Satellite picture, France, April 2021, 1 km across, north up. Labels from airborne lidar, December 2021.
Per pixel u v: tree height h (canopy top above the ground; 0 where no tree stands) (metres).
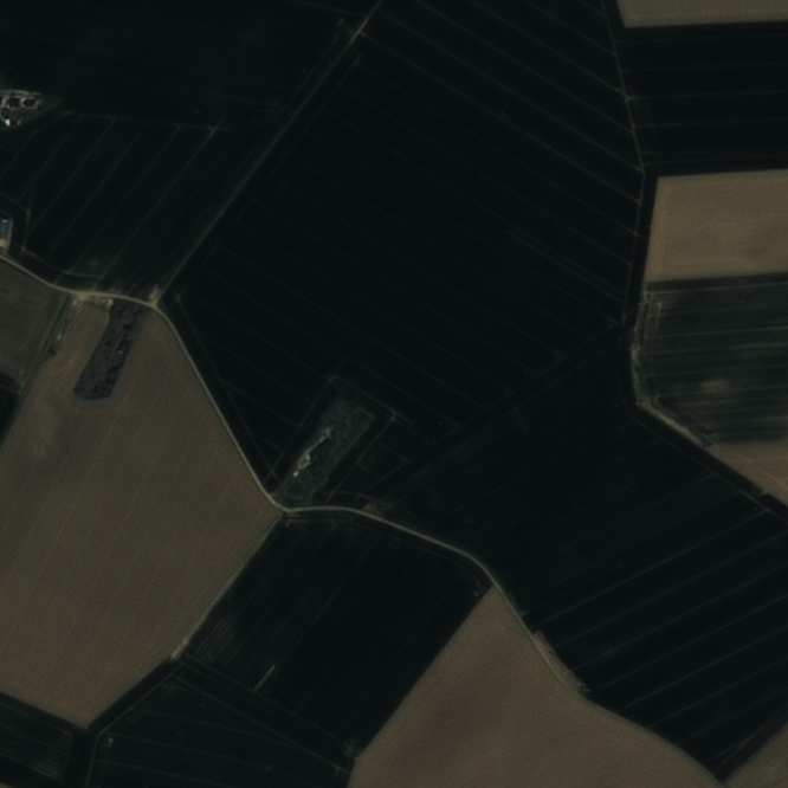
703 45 0
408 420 0
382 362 0
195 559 0
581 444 0
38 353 0
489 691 0
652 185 0
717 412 0
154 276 0
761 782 0
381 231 0
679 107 0
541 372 0
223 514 0
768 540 0
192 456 0
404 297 0
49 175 0
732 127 0
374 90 0
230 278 0
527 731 0
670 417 0
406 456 0
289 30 0
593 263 0
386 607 0
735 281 0
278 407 0
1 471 0
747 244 0
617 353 0
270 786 0
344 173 0
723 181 0
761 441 0
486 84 0
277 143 0
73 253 0
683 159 0
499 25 0
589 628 0
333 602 0
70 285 0
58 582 0
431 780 0
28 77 0
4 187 0
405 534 0
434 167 0
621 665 0
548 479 0
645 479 0
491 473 0
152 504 0
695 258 0
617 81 0
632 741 0
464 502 0
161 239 0
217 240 0
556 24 0
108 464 0
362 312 0
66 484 0
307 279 0
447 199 0
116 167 0
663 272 0
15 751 0
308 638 0
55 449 0
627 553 0
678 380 0
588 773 0
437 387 0
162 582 0
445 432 0
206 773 0
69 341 0
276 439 0
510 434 0
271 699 0
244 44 0
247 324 0
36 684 0
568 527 0
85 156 0
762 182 0
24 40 0
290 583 0
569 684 0
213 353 0
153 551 0
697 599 0
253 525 0
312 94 0
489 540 0
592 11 0
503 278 0
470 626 0
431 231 0
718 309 0
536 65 0
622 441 0
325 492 0
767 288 0
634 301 0
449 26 0
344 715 0
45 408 0
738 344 0
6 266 0
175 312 0
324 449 10
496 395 0
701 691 0
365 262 0
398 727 0
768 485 0
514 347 0
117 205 0
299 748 0
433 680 0
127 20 0
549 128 0
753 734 0
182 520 0
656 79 0
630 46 0
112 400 0
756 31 0
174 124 0
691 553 0
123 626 0
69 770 0
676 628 0
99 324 0
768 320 0
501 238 0
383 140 0
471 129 0
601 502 0
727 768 0
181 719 0
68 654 0
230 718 0
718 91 0
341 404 20
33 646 0
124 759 0
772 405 0
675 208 0
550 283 0
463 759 0
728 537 0
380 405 0
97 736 0
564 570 0
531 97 0
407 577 0
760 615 0
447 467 0
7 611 0
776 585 0
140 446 0
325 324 0
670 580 0
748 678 0
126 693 0
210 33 0
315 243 0
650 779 0
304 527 0
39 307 0
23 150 0
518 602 0
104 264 0
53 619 0
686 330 0
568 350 0
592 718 0
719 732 0
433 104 0
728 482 0
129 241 0
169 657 0
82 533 0
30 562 0
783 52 0
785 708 0
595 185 0
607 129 0
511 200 0
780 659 0
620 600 0
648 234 0
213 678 0
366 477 0
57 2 0
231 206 0
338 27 0
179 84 0
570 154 0
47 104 0
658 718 0
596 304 0
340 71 0
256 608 0
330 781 0
